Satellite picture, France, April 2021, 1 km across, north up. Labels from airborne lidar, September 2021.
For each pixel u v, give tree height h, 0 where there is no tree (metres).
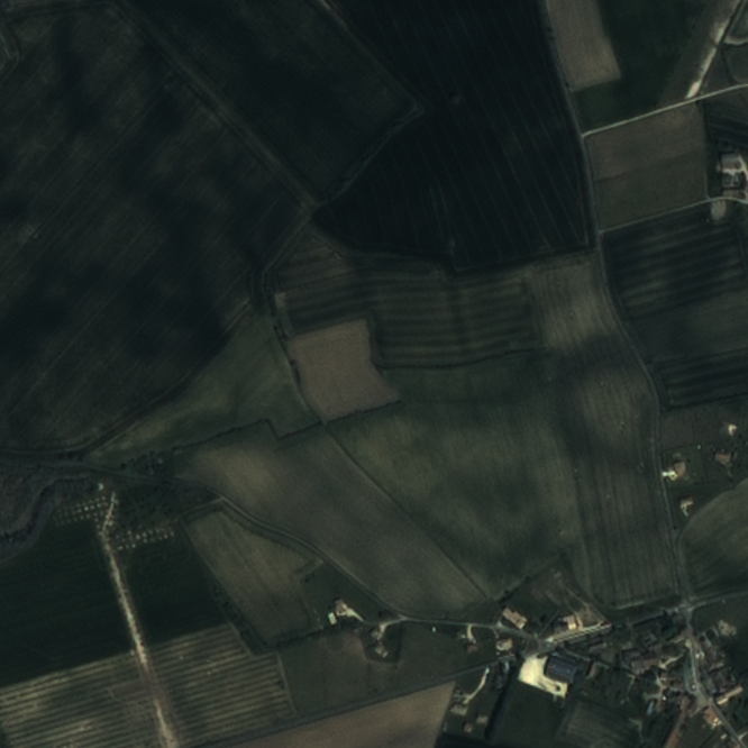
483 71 0
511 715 0
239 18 0
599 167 0
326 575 0
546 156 0
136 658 0
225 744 0
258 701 0
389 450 0
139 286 0
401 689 0
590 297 0
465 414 0
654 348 0
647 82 0
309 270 0
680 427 0
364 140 0
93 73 0
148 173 0
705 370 0
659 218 0
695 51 0
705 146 0
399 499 0
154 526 7
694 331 0
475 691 0
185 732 0
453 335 0
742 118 0
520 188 0
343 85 0
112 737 0
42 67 0
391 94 0
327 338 0
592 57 0
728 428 0
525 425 0
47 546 7
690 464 0
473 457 0
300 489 0
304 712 0
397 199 0
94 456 0
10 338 0
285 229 0
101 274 0
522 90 0
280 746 0
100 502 0
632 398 0
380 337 0
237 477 0
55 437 0
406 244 0
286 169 0
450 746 0
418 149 0
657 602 0
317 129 0
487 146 0
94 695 0
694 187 0
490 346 0
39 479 15
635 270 0
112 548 8
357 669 0
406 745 0
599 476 0
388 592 0
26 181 0
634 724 0
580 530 0
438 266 0
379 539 0
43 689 0
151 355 0
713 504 0
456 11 0
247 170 0
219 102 0
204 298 0
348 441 0
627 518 0
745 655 0
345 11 0
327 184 0
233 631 0
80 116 0
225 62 0
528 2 0
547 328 0
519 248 0
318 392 0
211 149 0
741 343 0
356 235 0
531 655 0
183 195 0
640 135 0
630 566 0
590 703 0
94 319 0
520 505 0
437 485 0
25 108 0
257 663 0
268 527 0
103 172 0
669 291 0
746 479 0
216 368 0
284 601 0
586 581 0
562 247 0
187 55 0
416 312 0
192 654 0
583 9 0
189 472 0
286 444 0
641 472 0
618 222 0
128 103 0
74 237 0
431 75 0
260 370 0
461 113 0
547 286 0
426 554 0
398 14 0
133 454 0
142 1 0
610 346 0
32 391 0
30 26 0
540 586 0
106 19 0
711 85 0
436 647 0
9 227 0
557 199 0
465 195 0
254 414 0
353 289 0
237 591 0
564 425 0
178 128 0
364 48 0
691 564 0
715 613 0
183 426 0
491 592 0
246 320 0
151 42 0
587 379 0
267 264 0
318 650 0
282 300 0
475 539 0
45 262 0
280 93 0
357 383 0
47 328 0
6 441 0
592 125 0
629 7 0
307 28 0
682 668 9
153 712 0
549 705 0
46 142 0
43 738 0
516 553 0
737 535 0
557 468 0
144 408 0
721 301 0
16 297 0
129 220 0
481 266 0
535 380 0
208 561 0
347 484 0
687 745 0
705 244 0
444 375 0
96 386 0
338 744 0
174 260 0
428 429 0
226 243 0
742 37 0
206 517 0
